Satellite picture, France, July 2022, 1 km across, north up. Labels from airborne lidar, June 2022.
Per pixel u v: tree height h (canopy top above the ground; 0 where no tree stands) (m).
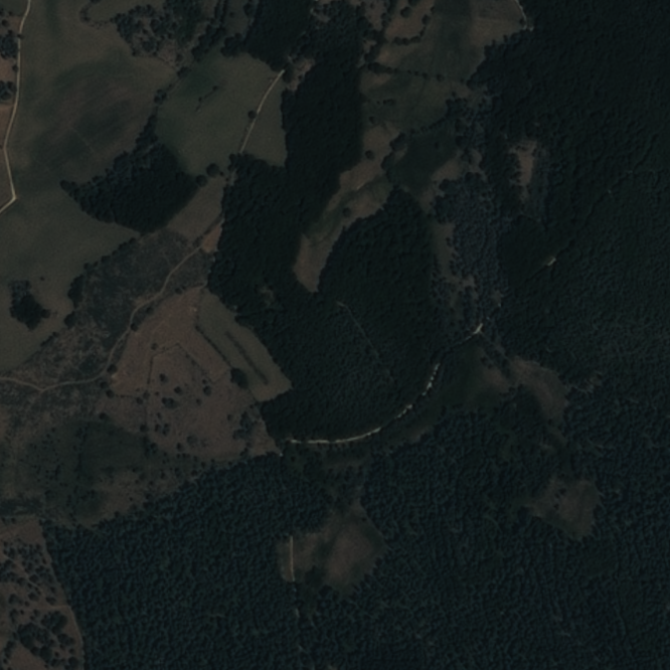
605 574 17
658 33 20
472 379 0
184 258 0
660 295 12
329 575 0
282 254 21
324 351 13
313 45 16
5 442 0
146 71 0
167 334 0
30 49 0
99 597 26
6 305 0
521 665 24
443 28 0
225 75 0
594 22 20
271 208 20
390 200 15
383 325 16
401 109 0
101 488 0
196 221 0
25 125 0
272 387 0
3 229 0
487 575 11
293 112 20
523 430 19
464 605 13
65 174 0
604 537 22
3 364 0
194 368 0
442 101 0
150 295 0
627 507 21
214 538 16
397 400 12
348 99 24
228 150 0
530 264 21
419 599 20
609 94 21
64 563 16
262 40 16
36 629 16
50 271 0
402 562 14
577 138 11
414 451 25
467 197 12
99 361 0
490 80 18
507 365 13
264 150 0
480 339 10
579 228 15
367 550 0
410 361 18
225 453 0
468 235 13
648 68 19
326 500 16
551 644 19
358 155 18
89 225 0
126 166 16
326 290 17
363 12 13
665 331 13
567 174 18
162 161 17
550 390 0
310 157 21
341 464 0
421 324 18
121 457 0
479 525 16
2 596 0
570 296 18
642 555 22
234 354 0
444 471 19
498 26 0
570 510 0
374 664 24
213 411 0
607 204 17
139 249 0
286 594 18
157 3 0
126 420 0
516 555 21
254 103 0
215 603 16
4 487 0
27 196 0
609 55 21
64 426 0
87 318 0
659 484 6
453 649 13
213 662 22
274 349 19
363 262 16
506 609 21
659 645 11
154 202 20
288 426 18
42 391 0
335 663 23
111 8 0
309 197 22
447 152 0
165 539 24
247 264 20
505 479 21
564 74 23
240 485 13
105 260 11
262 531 25
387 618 18
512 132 12
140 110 0
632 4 20
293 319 17
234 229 15
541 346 17
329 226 0
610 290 13
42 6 0
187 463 0
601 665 18
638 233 15
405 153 0
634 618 19
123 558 10
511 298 12
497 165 13
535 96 17
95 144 0
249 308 20
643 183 16
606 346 10
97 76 0
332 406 15
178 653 15
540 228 23
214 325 0
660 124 15
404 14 14
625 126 14
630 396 12
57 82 0
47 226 0
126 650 22
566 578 17
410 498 18
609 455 25
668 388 15
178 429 0
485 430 14
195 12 14
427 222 16
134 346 0
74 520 12
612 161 14
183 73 12
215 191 0
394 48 0
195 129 0
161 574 20
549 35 19
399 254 9
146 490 0
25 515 0
